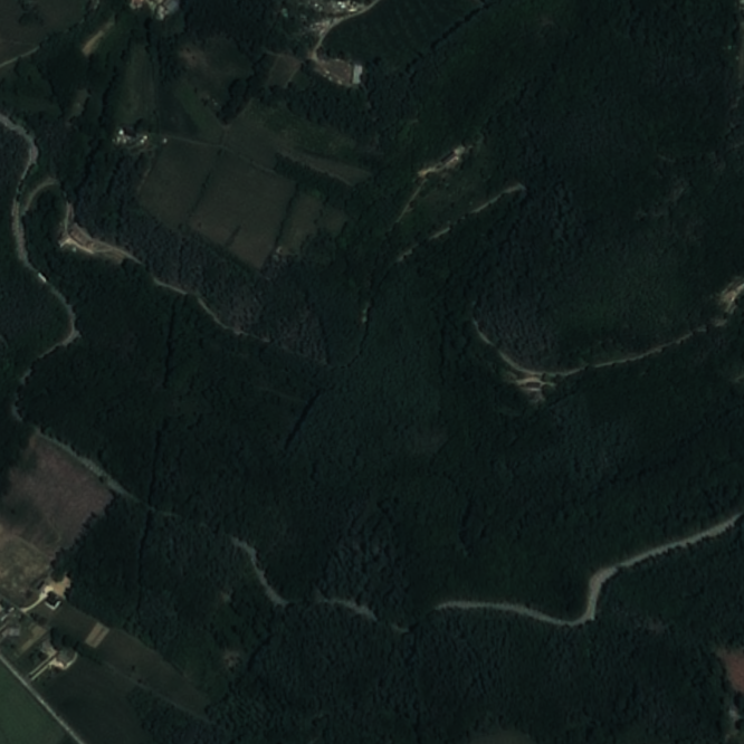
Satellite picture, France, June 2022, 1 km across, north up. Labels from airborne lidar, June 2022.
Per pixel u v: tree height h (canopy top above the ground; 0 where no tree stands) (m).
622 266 14
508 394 17
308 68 11
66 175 16
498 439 14
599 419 26
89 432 19
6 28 0
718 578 22
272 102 13
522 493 21
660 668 32
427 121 14
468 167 12
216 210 0
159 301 24
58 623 0
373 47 0
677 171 16
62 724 0
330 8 0
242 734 18
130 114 0
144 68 0
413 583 29
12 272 17
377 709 23
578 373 7
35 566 0
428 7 0
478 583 21
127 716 0
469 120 21
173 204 0
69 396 30
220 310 6
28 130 15
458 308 10
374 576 39
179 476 15
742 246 16
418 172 11
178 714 11
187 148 0
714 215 20
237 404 15
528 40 15
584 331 22
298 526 21
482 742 0
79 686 0
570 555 19
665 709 23
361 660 28
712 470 19
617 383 21
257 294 11
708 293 12
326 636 31
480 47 17
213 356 7
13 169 21
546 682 25
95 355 12
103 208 14
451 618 15
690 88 15
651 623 6
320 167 0
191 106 0
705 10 8
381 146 7
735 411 25
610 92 18
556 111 19
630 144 21
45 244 16
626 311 12
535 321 21
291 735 13
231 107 15
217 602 20
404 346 25
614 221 23
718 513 31
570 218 23
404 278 30
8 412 27
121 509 25
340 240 9
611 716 13
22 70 18
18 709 0
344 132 9
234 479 19
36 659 13
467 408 15
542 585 21
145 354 29
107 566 27
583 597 20
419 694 35
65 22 0
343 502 25
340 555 26
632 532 24
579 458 35
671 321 13
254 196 0
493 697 24
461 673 20
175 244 15
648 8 25
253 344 17
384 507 24
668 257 19
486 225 12
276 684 34
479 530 33
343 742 15
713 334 19
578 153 23
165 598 17
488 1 25
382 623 19
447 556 26
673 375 15
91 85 14
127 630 13
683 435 19
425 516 27
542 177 21
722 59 8
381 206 15
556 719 21
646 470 18
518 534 31
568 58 26
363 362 20
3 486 25
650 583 22
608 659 24
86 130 19
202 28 20
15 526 0
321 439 26
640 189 18
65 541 0
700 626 22
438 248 13
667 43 10
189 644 8
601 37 22
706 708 18
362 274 19
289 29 9
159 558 31
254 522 23
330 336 26
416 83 21
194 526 20
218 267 13
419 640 26
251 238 0
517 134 21
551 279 8
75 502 0
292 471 27
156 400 22
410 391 23
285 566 21
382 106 19
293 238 0
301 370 23
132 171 12
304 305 6
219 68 0
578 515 28
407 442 16
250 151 0
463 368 13
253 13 25
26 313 19
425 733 22
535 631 25
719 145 13
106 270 29
